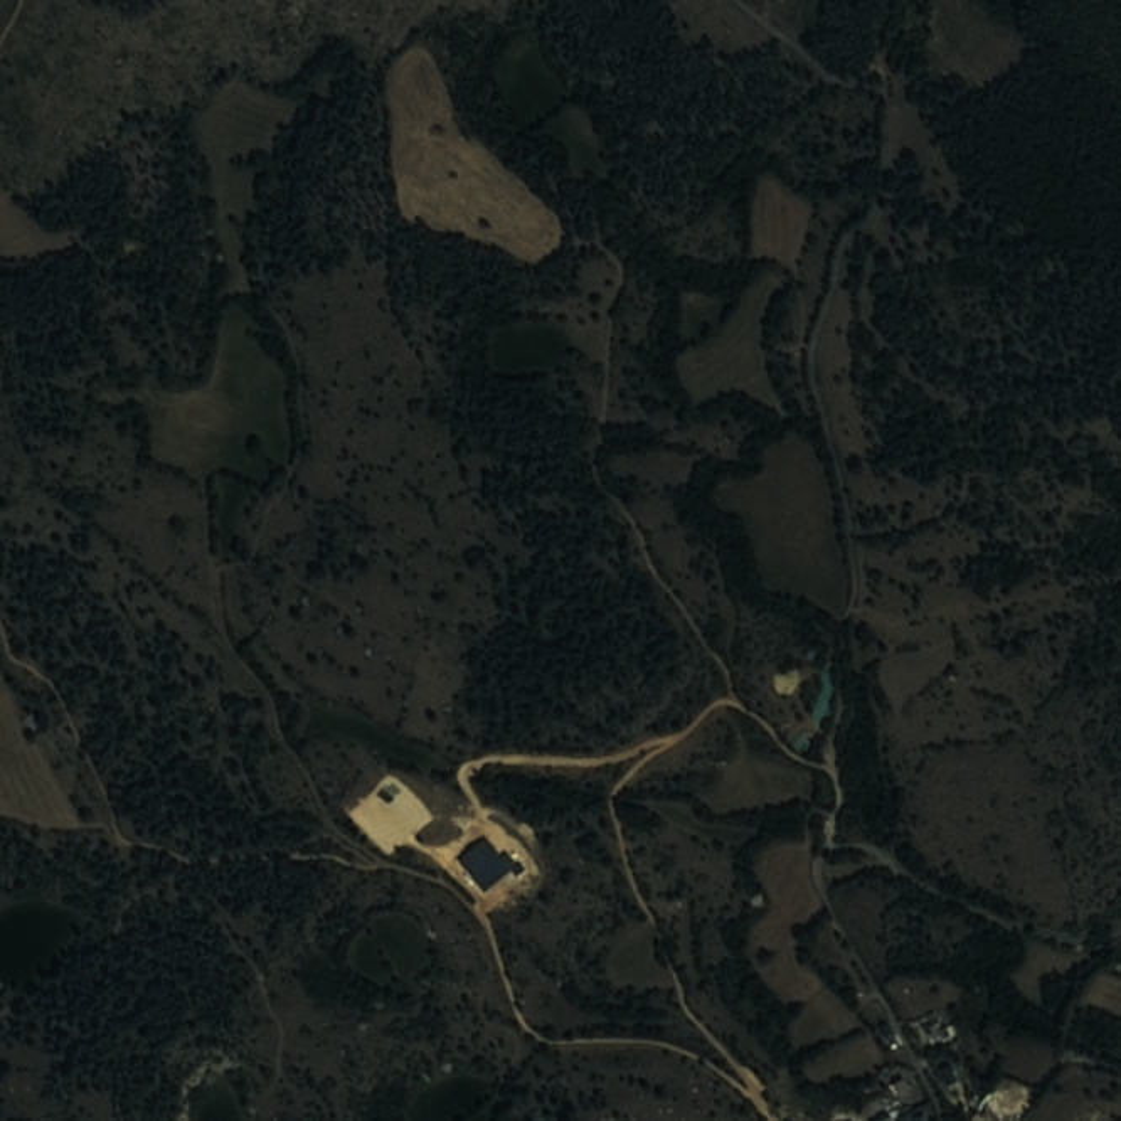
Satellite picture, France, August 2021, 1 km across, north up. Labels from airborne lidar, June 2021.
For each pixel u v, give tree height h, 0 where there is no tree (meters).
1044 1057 0
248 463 0
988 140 14
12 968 0
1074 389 15
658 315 9
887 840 12
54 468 12
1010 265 17
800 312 0
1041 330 17
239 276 0
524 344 0
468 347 9
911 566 6
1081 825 7
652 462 0
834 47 17
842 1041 6
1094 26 6
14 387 9
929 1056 7
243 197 0
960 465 9
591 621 14
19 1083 0
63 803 0
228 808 8
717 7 0
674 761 0
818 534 0
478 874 0
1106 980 0
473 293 14
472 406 12
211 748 8
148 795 12
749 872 6
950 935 7
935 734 0
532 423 15
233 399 0
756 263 8
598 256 6
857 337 9
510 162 11
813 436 9
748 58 16
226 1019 11
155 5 19
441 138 0
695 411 9
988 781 0
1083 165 15
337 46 14
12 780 0
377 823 0
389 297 7
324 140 11
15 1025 12
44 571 11
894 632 0
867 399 7
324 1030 0
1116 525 9
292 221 10
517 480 11
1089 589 7
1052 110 10
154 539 0
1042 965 0
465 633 8
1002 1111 0
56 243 0
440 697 0
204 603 0
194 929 10
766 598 10
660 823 7
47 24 0
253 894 13
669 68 17
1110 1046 5
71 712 7
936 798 0
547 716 10
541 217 0
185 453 0
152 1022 7
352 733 0
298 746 8
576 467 9
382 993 12
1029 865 0
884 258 16
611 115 14
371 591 0
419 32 9
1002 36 0
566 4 16
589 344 0
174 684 7
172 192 9
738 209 11
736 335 0
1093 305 14
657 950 7
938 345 15
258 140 0
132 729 16
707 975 6
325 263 15
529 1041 8
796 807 11
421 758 0
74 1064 13
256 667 8
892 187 17
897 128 0
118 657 14
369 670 0
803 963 6
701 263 7
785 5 0
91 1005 15
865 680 8
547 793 8
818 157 16
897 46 13
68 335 14
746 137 13
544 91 0
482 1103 10
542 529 15
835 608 0
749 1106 8
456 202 0
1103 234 16
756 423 10
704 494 18
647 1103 0
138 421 12
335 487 0
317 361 0
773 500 0
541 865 0
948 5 0
